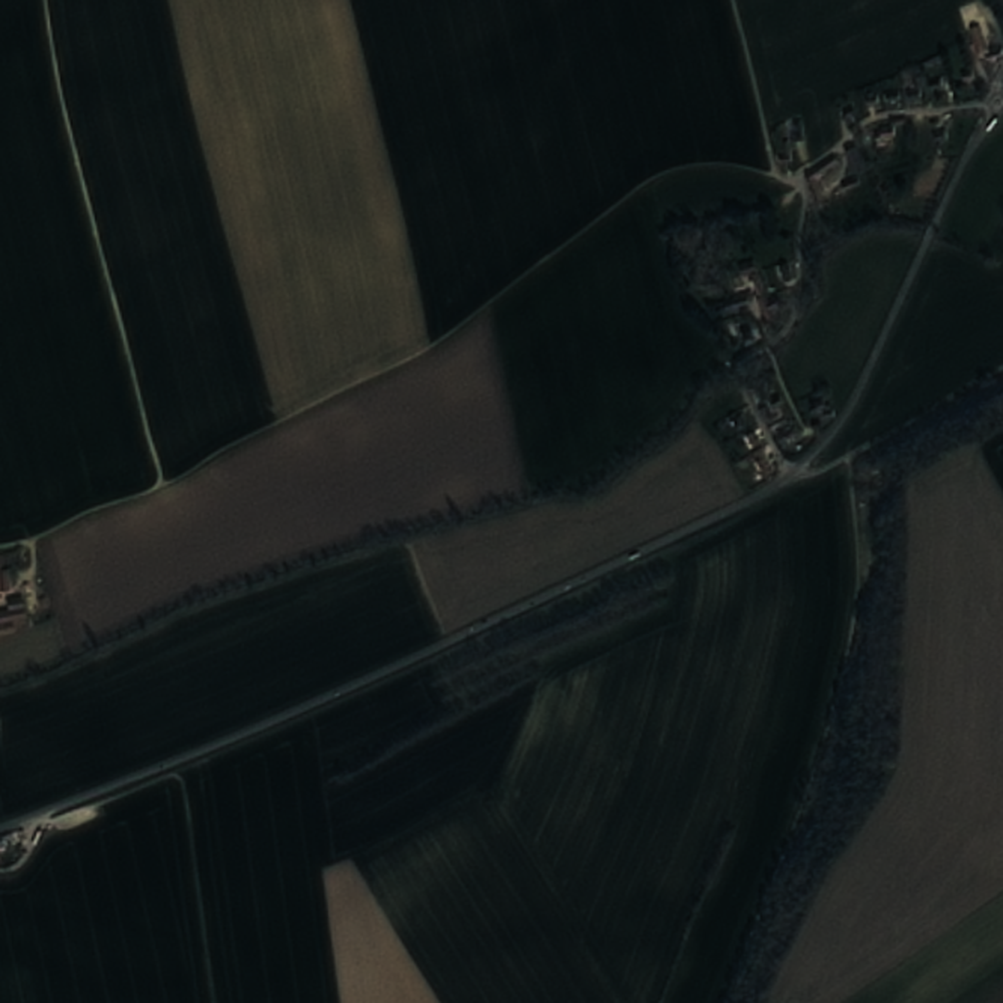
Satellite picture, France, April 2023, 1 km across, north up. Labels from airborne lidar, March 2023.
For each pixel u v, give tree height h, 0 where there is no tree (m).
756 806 0
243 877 0
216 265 0
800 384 0
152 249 0
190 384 0
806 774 0
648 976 0
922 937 0
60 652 0
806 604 0
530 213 0
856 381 0
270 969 0
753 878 0
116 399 0
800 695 0
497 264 0
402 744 12
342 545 0
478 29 0
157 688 0
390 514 0
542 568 0
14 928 0
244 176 0
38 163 0
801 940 0
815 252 11
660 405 0
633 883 0
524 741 0
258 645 0
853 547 0
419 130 0
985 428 15
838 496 0
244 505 0
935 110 0
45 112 0
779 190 0
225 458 0
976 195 0
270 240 0
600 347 0
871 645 14
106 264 0
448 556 0
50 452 0
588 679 0
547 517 0
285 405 0
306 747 0
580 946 0
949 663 0
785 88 0
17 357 0
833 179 0
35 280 0
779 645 0
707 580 0
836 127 0
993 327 0
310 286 0
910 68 10
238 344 0
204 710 0
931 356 0
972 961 0
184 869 0
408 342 0
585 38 0
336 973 0
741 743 0
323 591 0
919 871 0
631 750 0
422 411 0
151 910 0
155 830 0
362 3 0
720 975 0
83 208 0
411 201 0
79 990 0
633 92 0
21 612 0
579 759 0
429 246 0
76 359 0
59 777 0
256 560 0
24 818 0
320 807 0
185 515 0
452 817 0
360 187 0
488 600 0
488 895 0
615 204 0
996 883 0
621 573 0
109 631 0
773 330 15
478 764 0
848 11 0
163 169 0
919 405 0
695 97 0
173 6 0
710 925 0
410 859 0
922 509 0
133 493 0
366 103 0
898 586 14
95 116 0
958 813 0
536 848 0
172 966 0
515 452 0
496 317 0
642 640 0
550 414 0
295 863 0
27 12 0
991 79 0
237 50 0
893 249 0
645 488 0
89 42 0
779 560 0
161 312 0
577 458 0
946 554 0
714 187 0
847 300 0
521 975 0
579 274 0
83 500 0
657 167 0
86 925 0
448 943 0
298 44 0
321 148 0
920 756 0
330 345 0
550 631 13
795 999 0
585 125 0
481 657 17
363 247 0
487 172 0
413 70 0
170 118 0
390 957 0
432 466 0
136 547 0
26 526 0
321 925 0
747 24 0
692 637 0
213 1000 0
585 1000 0
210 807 0
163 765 0
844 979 0
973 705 0
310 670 0
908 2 0
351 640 0
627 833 0
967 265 0
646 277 0
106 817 0
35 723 0
